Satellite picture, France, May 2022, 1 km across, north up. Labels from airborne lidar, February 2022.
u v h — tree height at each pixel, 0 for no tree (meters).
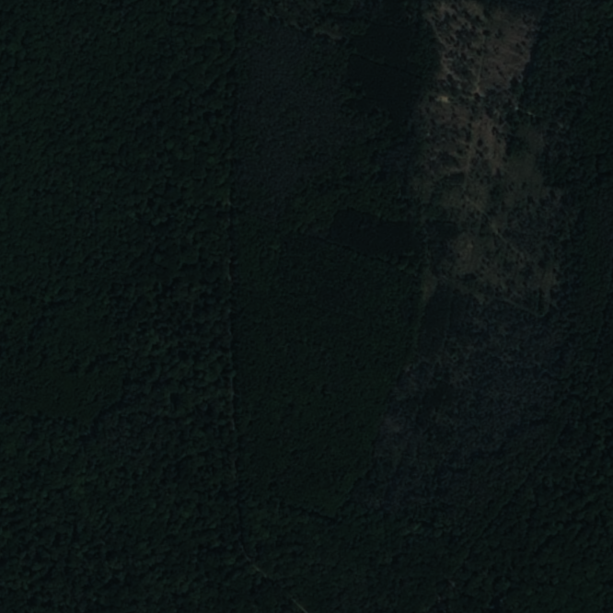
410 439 23
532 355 9
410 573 28
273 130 20
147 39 22
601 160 23
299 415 20
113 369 23
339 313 19
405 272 14
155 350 28
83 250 19
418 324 15
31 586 26
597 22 21
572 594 27
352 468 15
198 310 31
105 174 23
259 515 31
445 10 0
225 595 28
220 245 27
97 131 22
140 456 28
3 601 28
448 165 18
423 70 15
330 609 24
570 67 25
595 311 21
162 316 30
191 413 29
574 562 27
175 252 31
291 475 21
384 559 29
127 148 25
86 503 28
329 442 18
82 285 18
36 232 22
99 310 23
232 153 22
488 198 0
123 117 17
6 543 30
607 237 26
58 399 9
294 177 23
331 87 19
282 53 25
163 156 30
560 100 24
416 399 10
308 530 27
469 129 0
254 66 22
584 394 29
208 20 30
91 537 30
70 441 27
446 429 7
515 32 0
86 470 29
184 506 28
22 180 20
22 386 9
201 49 29
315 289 16
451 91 15
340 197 20
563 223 21
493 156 0
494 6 18
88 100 19
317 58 20
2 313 22
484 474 21
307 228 22
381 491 13
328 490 17
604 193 24
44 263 20
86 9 21
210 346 32
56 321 20
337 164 17
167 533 18
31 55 22
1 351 19
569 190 17
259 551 30
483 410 22
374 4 23
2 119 23
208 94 31
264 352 22
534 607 27
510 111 17
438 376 14
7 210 23
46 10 20
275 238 13
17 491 30
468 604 30
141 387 28
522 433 28
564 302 21
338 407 19
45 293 23
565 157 17
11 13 23
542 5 19
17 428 23
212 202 25
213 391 33
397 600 28
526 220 22
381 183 20
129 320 27
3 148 23
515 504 25
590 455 30
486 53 0
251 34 21
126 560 34
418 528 26
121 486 23
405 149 20
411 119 22
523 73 0
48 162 21
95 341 20
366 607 26
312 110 22
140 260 28
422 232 12
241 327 19
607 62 24
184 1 25
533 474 22
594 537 29
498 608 28
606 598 20
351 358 19
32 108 20
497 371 23
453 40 0
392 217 19
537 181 0
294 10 24
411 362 13
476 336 16
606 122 24
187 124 29
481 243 0
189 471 28
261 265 21
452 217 6
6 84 22
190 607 26
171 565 28
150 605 29
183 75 28
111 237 24
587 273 24
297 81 21
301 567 28
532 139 0
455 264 22
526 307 8
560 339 10
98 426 25
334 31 0
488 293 9
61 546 31
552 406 22
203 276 31
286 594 21
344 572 29
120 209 22
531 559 26
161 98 31
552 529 31
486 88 0
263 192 22
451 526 25
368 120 19
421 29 18
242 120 22
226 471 28
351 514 24
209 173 28
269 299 15
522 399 23
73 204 20
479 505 19
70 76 22
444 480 23
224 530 29
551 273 0
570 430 25
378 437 19
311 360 19
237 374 19
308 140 20
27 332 6
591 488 27
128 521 25
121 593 31
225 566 32
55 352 22
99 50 21
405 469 12
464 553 25
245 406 17
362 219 22
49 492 29
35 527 27
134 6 21
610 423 27
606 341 25
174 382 26
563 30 26
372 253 13
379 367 15
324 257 15
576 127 20
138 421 27
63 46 21
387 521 26
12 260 21
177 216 31
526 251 20
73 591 30
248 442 21
